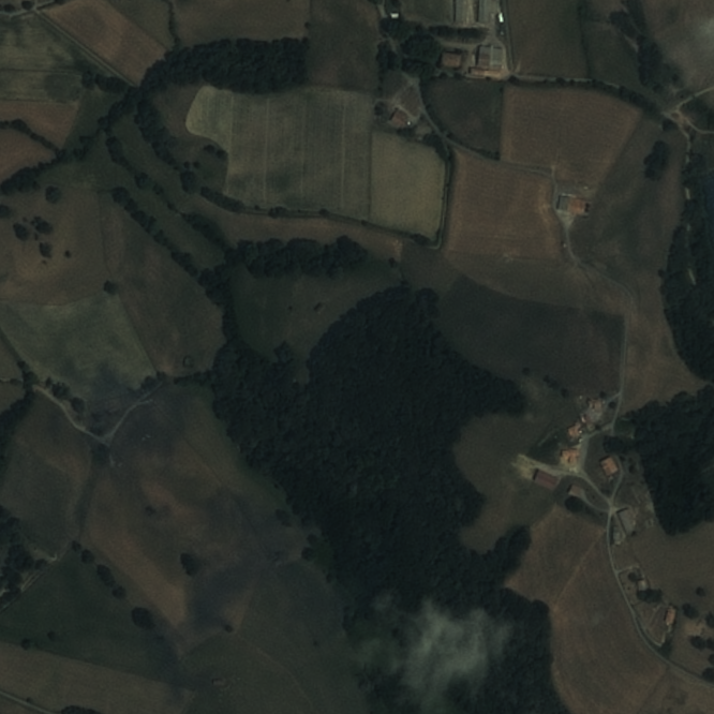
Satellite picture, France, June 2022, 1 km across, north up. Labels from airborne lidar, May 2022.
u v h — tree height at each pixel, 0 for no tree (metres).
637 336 0
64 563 0
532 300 0
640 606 0
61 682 0
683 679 0
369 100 0
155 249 0
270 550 0
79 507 0
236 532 0
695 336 8
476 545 0
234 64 20
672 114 0
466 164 0
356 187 0
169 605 0
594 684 0
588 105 0
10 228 0
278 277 13
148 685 0
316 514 19
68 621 0
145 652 0
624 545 0
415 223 0
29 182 15
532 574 0
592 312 0
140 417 0
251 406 27
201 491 0
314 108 0
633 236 0
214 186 0
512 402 25
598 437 0
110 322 0
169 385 0
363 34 0
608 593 0
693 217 20
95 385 0
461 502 12
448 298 0
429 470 14
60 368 0
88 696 0
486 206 0
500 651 13
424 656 18
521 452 0
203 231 11
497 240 0
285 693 0
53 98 0
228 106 0
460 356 16
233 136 0
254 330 0
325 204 0
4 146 0
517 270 0
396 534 31
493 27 0
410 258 0
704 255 16
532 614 17
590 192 0
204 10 0
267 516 0
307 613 0
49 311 0
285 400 26
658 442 24
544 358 0
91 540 0
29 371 15
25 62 0
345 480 22
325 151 0
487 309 0
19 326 0
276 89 16
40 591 0
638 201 0
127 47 0
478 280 0
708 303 25
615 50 0
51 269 0
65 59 0
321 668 0
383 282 0
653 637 0
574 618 0
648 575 0
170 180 0
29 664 0
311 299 0
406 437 27
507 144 0
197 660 0
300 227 0
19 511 0
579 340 0
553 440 0
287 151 0
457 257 0
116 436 0
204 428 0
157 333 0
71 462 0
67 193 0
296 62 20
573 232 0
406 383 16
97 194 0
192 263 12
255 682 0
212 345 0
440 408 16
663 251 0
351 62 0
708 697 0
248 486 0
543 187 0
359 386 24
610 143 0
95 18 0
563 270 0
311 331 0
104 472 0
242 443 10
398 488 26
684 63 0
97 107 0
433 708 0
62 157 16
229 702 0
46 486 0
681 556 0
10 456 0
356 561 18
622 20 19
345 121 0
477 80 0
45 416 0
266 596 0
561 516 0
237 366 16
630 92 7
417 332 27
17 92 0
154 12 0
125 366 0
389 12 0
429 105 9
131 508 0
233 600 0
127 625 0
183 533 0
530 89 0
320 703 0
